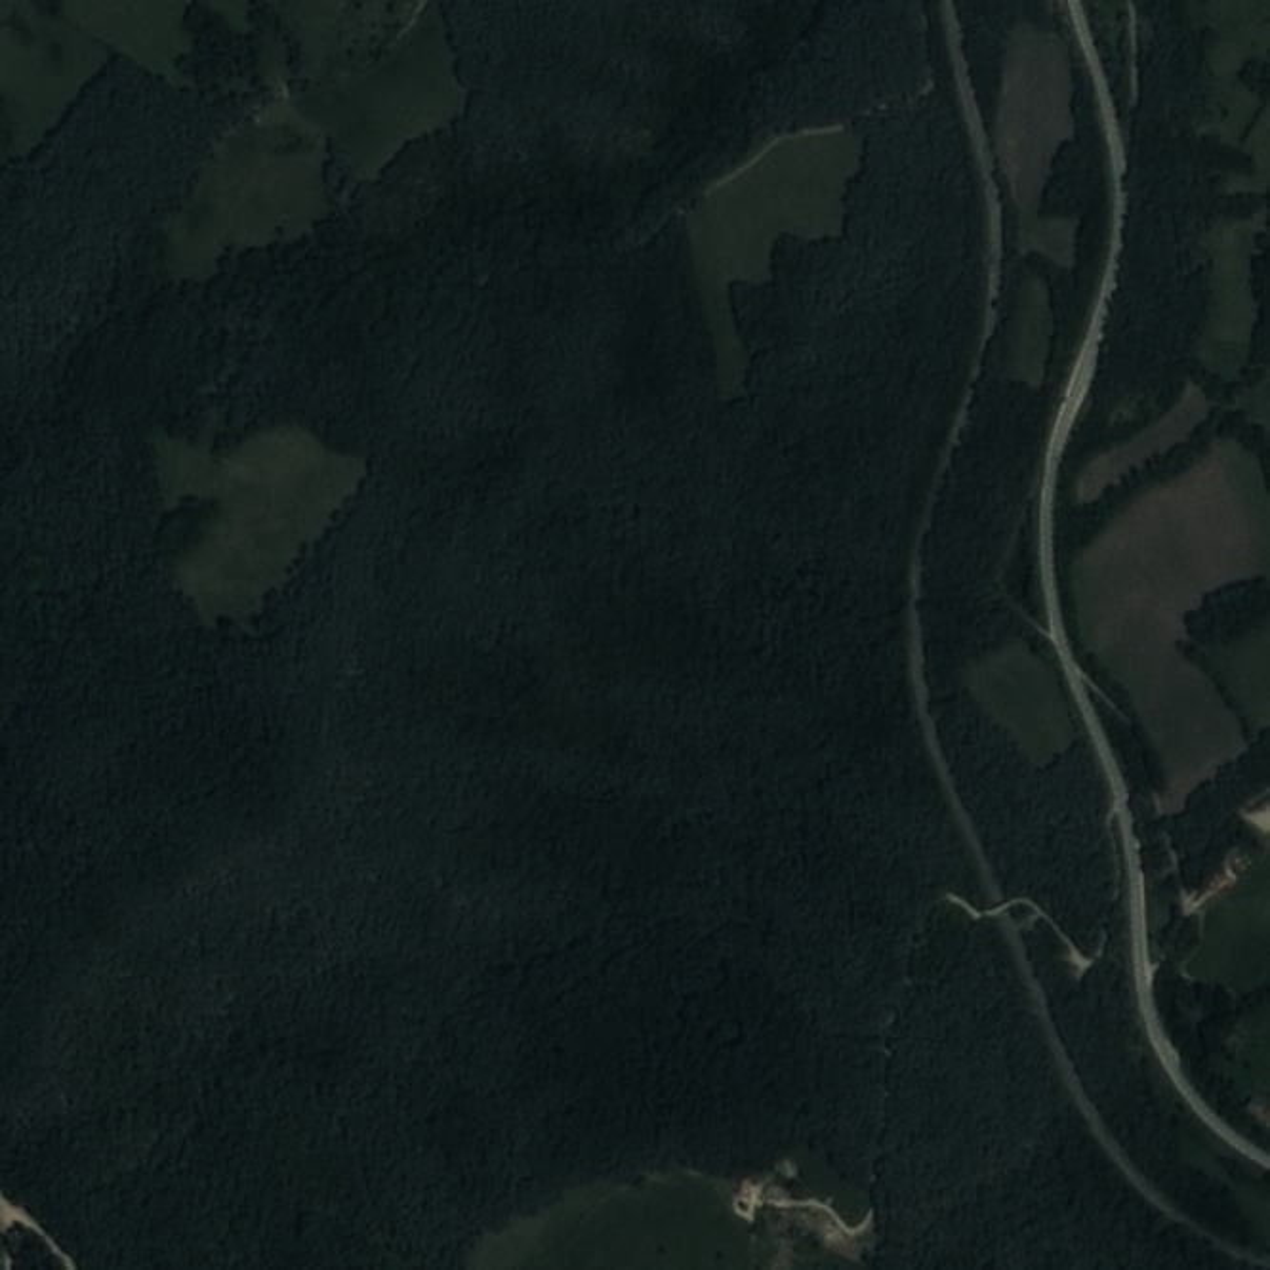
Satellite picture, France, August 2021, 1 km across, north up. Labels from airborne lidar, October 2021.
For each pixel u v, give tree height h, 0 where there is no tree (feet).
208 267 0
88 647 54
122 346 58
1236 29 0
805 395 54
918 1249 39
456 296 56
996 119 24
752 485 64
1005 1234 40
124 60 46
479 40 44
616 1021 80
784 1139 49
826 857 76
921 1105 53
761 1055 89
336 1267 67
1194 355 31
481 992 32
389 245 75
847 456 58
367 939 37
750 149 26
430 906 42
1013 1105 27
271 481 0
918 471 36
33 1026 53
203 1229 61
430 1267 33
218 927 45
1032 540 20
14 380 37
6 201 58
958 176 32
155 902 47
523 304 43
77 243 40
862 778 75
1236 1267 33
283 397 45
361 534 52
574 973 76
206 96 35
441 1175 52
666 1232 0
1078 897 40
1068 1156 81
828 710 50
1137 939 0
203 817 62
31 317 37
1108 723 20
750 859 70
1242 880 0
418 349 42
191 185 34
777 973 64
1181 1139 31
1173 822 37
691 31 40
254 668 66
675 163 69
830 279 37
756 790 33
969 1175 40
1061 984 20
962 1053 53
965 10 34
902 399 43
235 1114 49
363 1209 47
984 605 56
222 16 29
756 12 60
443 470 57
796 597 95
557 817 75
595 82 54
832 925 66
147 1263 69
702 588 57
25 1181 76
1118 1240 55
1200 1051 36
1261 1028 0
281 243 31
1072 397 0
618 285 53
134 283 46
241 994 39
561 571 72
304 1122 56
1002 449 73
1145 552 0
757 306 61
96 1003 30
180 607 54
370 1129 52
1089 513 53
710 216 0
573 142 36
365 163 0
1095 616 0
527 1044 60
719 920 69
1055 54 0
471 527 47
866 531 56
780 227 0
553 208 75
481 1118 42
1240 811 31
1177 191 61
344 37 23
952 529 68
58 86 0
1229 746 0
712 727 58
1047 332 0
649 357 73
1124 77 28
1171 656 0
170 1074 42
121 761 61
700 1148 42
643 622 53
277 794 56
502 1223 38
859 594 93
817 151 0
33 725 64
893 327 40
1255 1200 0
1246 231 0
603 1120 85
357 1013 51
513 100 45
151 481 48
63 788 54
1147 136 40
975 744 53
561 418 45
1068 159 48
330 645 42
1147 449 0
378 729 58
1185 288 24
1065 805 41
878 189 55
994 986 52
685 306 45
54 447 60
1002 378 43
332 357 59
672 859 59
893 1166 49
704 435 47
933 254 45
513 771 38
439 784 43
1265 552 0
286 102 0
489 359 45
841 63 41
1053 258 20
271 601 45
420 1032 43
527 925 41
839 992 59
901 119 31
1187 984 48
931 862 46
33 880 85
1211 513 0
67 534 57
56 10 25
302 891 29
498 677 53
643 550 52
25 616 72
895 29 46
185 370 52
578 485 46
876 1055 44
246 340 31
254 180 0
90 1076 37
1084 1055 42
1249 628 60
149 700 53
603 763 61
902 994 43
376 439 47
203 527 39
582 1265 0
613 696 51
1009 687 0
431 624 38
